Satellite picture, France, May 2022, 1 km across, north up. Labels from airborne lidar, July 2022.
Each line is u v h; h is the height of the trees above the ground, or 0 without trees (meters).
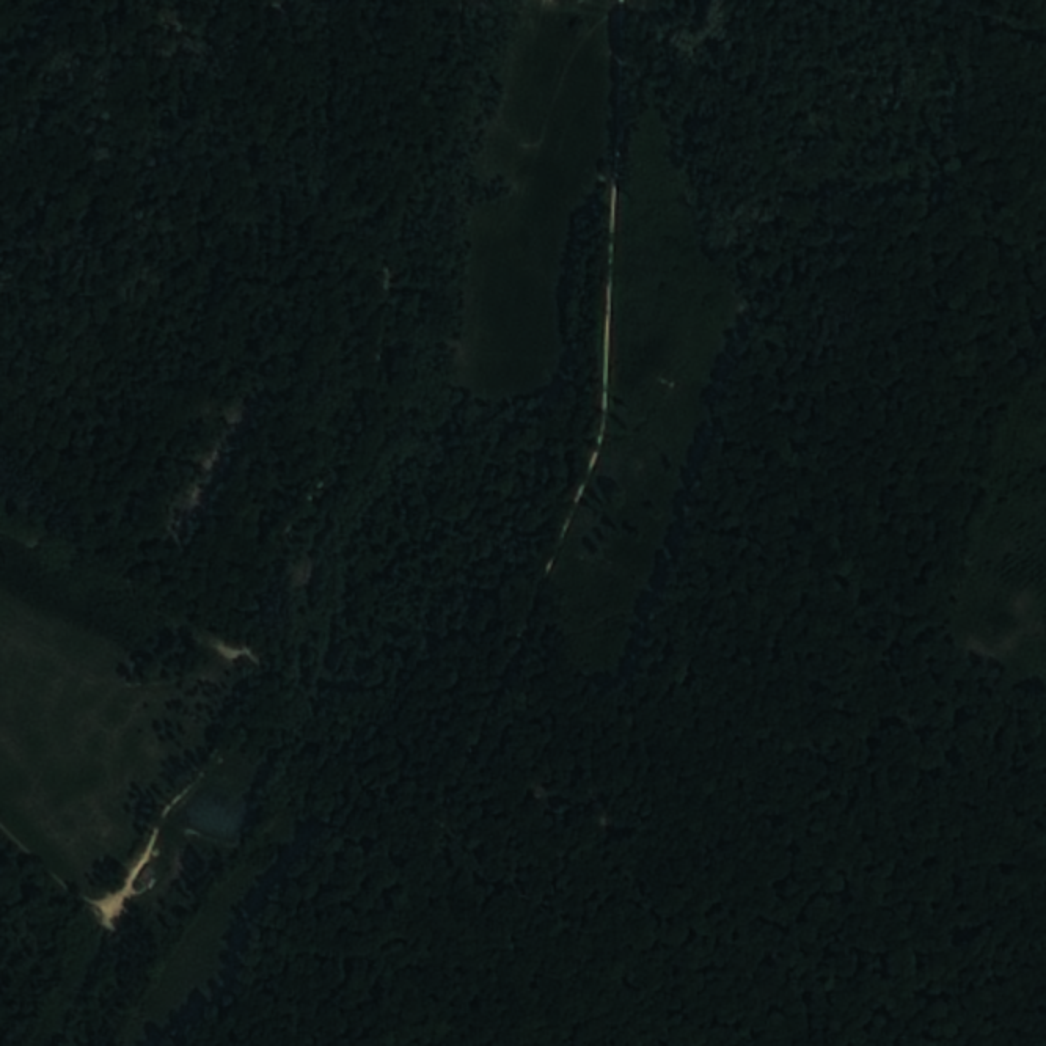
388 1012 27
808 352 25
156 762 0
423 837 33
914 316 30
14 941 11
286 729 26
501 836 30
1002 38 33
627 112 27
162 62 31
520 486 20
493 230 0
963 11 26
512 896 30
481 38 31
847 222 28
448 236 25
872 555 32
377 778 29
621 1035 32
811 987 31
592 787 31
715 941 25
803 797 32
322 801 28
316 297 30
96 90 33
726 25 26
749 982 29
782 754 32
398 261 24
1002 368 32
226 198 29
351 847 34
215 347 29
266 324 27
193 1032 31
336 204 31
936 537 30
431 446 26
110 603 11
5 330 29
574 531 0
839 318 32
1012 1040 28
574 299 25
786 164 25
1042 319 8
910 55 25
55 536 21
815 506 33
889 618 32
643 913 27
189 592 32
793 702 32
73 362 25
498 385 0
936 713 33
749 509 30
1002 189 32
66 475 31
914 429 31
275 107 18
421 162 21
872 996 30
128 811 0
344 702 27
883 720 10
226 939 0
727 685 32
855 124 23
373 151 23
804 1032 26
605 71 0
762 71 23
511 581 30
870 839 32
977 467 30
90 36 30
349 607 24
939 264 31
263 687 28
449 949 29
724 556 30
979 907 28
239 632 32
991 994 31
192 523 27
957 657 32
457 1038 27
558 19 0
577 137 0
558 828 28
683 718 30
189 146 34
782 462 26
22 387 24
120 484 32
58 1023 7
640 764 31
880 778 31
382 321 26
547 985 30
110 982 20
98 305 30
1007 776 29
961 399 29
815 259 24
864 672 31
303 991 30
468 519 20
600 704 33
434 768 33
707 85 30
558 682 32
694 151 29
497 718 33
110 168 31
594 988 30
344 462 28
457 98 30
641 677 31
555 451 21
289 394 29
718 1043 29
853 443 32
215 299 29
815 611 29
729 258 27
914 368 31
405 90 31
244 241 31
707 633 31
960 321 37
